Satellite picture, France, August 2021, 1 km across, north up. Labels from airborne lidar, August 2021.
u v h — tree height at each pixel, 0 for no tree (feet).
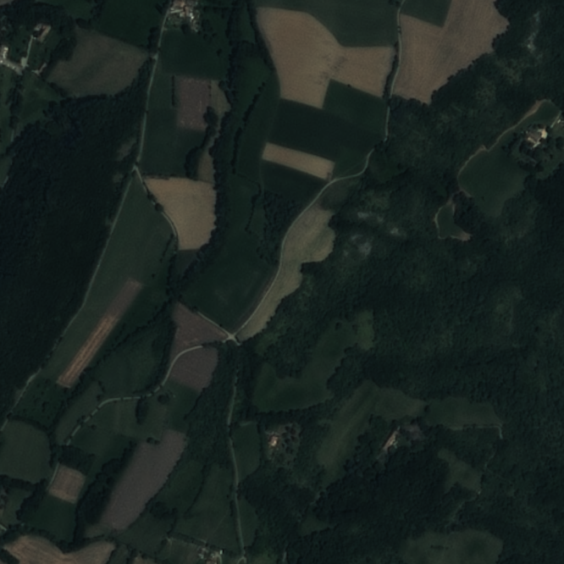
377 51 0
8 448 0
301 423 47
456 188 46
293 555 52
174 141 0
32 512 65
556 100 44
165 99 0
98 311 0
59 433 0
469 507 38
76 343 0
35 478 0
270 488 39
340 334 0
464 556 0
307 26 0
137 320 0
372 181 29
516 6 64
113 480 44
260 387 0
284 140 0
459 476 0
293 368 36
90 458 42
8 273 21
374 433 24
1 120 0
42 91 0
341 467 0
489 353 50
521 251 21
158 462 0
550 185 70
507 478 21
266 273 0
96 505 52
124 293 0
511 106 45
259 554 29
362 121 0
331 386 55
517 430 19
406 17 0
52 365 0
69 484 0
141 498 0
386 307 42
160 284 0
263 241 22
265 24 0
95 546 0
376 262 51
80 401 0
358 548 65
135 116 56
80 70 0
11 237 21
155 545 0
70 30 75
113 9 0
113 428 0
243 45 73
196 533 0
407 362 41
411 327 23
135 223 0
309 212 0
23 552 0
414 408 0
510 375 19
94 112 98
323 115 0
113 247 0
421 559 0
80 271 36
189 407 0
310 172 0
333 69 0
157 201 45
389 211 26
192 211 0
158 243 0
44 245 22
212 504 0
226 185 66
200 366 0
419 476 66
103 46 0
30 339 63
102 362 32
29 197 20
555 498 48
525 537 52
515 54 26
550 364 25
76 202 58
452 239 39
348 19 0
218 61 0
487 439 22
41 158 78
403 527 48
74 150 42
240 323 0
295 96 0
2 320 30
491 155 0
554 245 46
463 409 0
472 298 59
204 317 0
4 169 0
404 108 25
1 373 39
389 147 38
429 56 0
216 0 22
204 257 68
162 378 34
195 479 0
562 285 31
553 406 48
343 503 70
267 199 34
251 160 0
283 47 0
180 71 0
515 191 0
